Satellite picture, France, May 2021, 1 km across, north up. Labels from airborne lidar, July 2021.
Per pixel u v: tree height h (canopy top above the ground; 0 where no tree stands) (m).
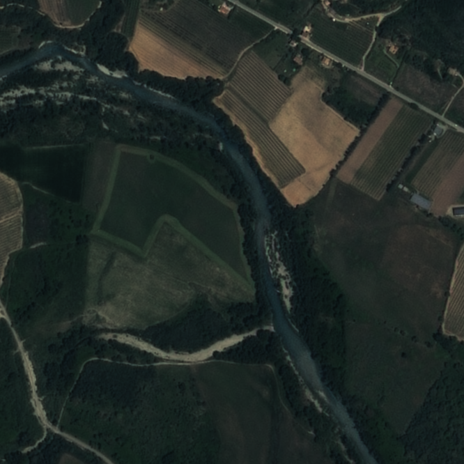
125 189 0
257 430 0
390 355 0
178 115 24
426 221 0
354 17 0
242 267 0
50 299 7
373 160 0
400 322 0
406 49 9
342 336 11
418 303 0
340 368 9
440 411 13
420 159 0
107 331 8
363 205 0
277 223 12
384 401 7
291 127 0
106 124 6
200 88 16
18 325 8
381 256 0
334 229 0
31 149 0
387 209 0
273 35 7
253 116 0
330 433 5
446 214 0
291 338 0
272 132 0
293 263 18
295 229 17
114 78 0
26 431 5
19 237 0
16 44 0
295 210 11
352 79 0
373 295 0
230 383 0
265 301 28
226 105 0
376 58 0
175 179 0
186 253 0
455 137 0
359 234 0
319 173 0
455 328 0
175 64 0
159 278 0
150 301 0
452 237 0
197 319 6
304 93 0
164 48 0
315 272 10
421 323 0
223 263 0
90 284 0
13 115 21
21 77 12
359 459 23
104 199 0
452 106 0
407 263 0
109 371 10
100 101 23
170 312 0
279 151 0
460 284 0
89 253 0
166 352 7
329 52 0
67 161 0
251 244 22
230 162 24
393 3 7
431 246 0
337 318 12
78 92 6
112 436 9
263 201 0
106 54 13
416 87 0
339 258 0
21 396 6
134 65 18
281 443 0
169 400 0
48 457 12
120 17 11
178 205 0
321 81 0
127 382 12
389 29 9
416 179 0
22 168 0
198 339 8
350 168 0
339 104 11
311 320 21
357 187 0
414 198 0
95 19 15
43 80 8
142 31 0
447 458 7
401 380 0
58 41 6
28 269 0
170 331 9
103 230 0
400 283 0
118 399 12
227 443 0
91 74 8
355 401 13
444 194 0
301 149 0
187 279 0
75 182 0
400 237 0
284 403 0
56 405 7
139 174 0
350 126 0
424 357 0
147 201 0
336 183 0
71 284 0
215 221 0
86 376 7
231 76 0
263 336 21
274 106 0
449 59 6
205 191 0
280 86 0
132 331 8
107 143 0
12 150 0
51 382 21
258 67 0
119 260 0
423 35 7
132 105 7
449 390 9
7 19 13
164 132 26
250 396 0
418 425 12
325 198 0
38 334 0
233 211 0
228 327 9
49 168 0
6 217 0
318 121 0
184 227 0
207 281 0
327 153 0
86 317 0
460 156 0
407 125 0
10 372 7
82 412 7
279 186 0
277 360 7
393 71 0
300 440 0
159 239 0
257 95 0
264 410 0
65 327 0
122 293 0
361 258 0
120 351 13
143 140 11
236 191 20
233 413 0
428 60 7
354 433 0
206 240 0
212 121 0
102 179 0
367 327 0
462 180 0
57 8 0
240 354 20
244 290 0
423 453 12
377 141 0
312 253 20
